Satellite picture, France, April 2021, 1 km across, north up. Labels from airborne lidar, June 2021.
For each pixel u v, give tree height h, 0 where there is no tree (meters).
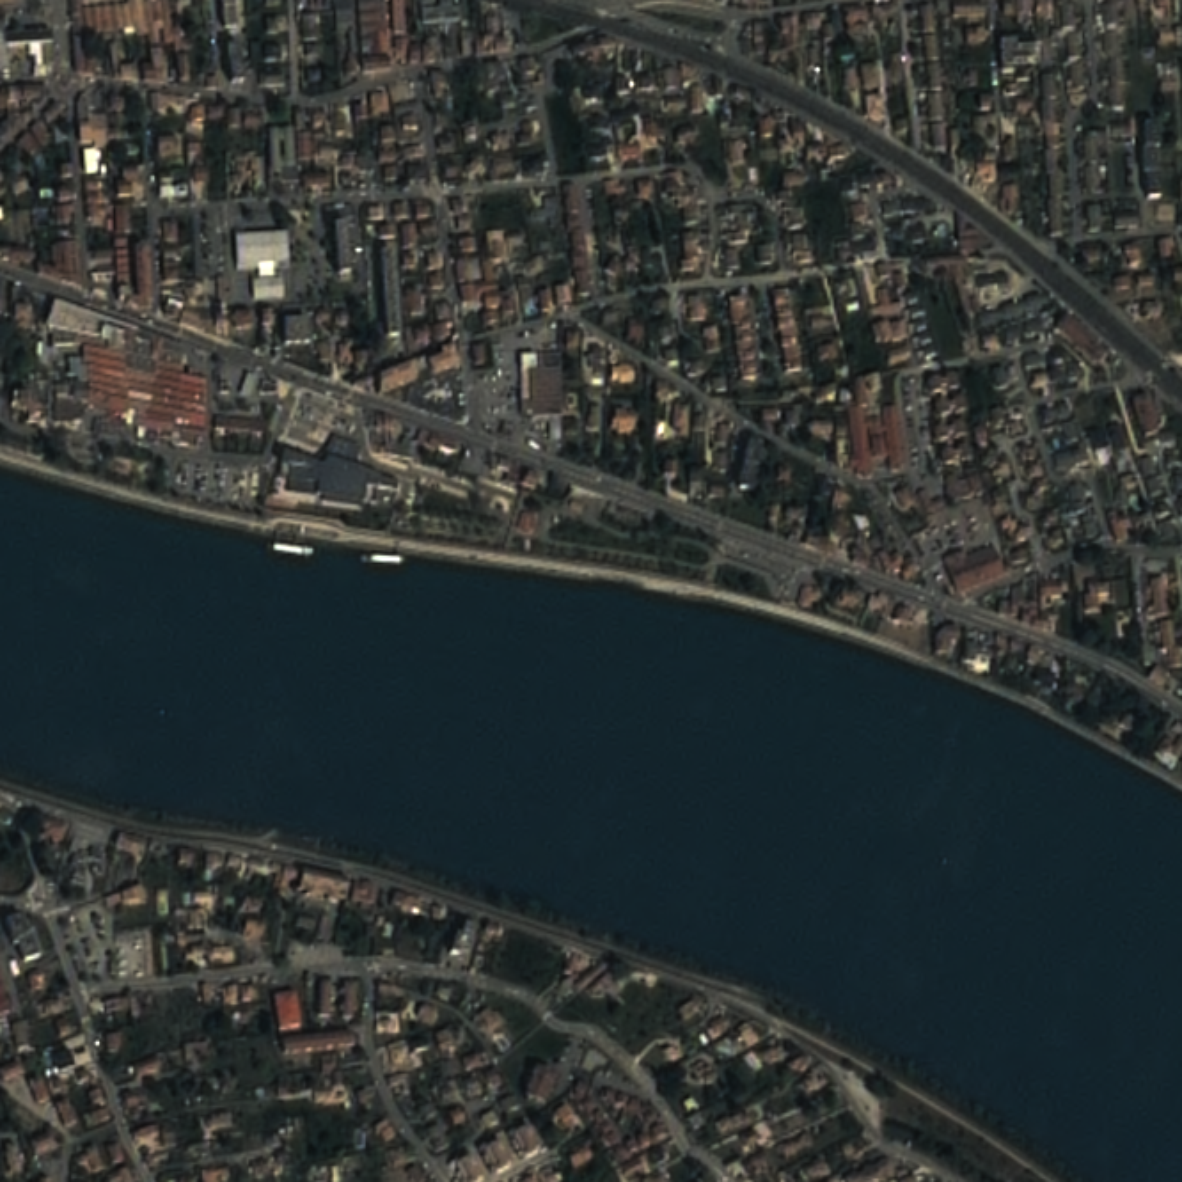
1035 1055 0
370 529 0
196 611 0
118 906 8
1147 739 23
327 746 0
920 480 0
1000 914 0
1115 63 0
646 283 13
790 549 0
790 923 0
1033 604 0
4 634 0
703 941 0
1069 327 0
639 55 7
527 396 0
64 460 14
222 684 0
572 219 0
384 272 0
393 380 0
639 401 10
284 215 11
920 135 0
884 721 0
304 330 0
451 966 0
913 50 10
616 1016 13
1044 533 7
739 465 0
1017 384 0
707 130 0
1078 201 0
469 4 6
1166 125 8
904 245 7
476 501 12
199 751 0
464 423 0
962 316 8
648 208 11
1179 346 0
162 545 0
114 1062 11
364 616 0
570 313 0
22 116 0
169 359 0
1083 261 11
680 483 9
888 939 0
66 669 0
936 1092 8
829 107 0
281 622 0
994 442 8
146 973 0
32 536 0
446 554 0
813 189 7
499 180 0
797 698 0
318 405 0
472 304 0
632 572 0
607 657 0
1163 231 0
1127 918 0
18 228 0
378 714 0
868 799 0
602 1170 9
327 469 0
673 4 0
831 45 8
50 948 0
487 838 0
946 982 0
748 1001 0
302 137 0
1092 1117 0
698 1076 7
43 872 13
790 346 0
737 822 0
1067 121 0
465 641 0
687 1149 0
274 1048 0
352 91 0
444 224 0
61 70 0
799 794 0
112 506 0
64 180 6
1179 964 0
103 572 0
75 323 0
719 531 0
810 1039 0
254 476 0
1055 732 0
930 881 0
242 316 0
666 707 0
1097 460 0
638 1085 0
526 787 0
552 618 0
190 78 9
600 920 0
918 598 0
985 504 0
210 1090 10
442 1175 0
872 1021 0
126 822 0
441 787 0
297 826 0
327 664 0
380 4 0
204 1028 7
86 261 0
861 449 0
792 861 0
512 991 0
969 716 0
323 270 0
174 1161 10
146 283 0
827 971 0
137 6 0
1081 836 0
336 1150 6
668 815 0
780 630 0
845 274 10
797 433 9
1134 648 11
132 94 10
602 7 0
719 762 0
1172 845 0
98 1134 0
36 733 0
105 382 0
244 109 12
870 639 0
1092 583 0
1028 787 0
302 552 0
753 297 10
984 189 0
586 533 10
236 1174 11
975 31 0
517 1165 0
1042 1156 8
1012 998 0
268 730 0
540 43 0
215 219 0
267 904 7
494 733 0
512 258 0
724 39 0
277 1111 6
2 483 0
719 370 7
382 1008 6
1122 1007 0
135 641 0
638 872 0
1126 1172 0
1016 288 0
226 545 0
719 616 0
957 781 0
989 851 0
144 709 0
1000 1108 0
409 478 0
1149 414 0
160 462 10
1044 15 5
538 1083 0
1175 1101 0
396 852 0
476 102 7
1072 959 0
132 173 0
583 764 0
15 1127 8
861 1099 0
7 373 15
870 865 0
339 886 0
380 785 0
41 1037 0
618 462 10
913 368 0
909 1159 0
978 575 0
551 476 7
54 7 0
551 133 0
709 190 0
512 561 0
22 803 0
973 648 0
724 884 0
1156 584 0
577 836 0
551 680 0
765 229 11
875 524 6
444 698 0
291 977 0
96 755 0
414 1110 7
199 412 0
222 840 0
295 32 0
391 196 0
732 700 0
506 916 0
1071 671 9
